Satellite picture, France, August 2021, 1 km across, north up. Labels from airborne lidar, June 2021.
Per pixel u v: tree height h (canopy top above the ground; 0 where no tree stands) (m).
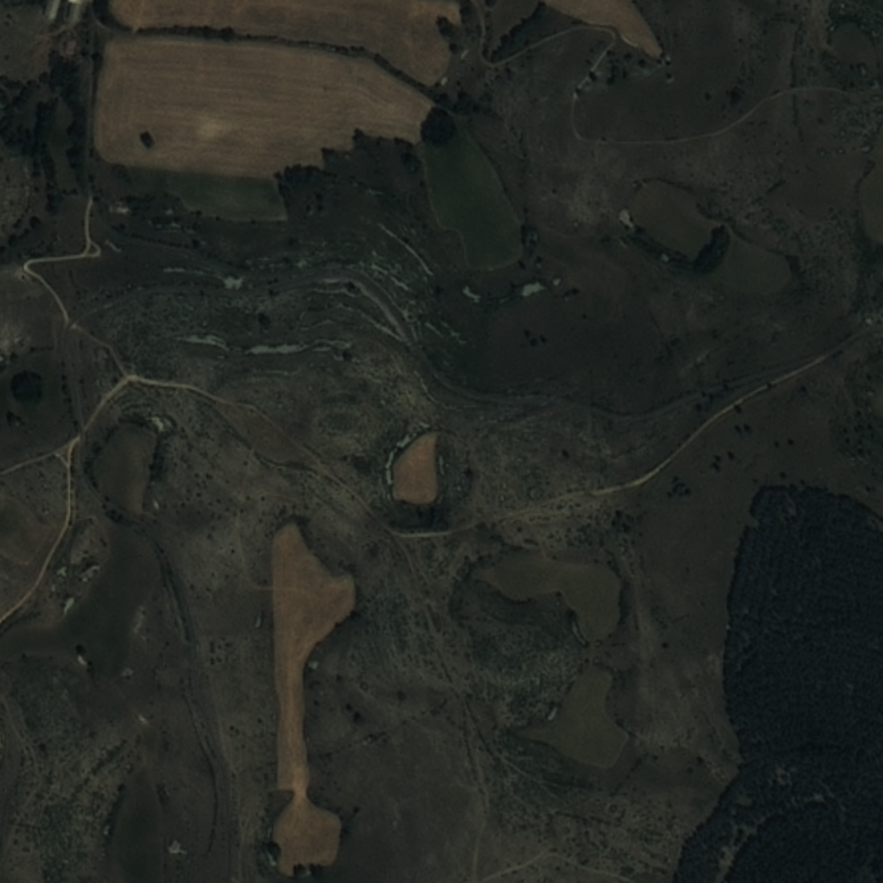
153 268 0
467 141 0
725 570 0
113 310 0
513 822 0
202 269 0
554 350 0
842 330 0
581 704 0
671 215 0
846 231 0
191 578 0
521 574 0
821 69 0
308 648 0
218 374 0
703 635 0
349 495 0
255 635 0
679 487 7
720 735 0
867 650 13
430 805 0
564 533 0
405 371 0
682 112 0
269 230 0
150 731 0
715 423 0
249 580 0
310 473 0
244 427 0
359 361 0
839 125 0
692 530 0
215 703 0
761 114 0
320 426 0
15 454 0
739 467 0
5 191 0
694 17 0
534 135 0
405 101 0
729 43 0
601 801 0
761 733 13
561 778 0
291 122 0
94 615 0
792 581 14
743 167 0
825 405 0
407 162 9
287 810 0
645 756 0
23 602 0
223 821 0
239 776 0
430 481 0
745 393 0
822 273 0
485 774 0
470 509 0
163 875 0
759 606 13
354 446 0
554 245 0
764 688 14
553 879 0
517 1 0
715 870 8
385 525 0
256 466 0
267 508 0
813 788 11
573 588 0
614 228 0
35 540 0
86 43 7
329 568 0
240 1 0
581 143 0
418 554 0
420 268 0
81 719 0
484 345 0
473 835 0
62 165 0
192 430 0
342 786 0
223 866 0
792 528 13
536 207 0
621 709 0
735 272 0
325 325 0
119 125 0
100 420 0
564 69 0
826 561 16
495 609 0
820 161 0
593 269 0
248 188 0
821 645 14
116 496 0
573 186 0
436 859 0
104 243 0
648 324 0
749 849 17
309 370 0
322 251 0
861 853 13
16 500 0
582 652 0
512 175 0
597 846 0
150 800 0
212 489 0
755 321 0
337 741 0
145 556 0
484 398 0
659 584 0
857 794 16
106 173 0
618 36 0
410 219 0
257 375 0
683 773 0
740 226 0
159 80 0
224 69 0
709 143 0
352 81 0
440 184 0
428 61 0
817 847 16
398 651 0
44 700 0
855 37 0
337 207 0
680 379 0
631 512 0
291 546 0
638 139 0
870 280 0
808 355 0
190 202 0
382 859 0
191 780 0
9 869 0
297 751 0
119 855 0
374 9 0
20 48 0
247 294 0
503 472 0
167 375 0
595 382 0
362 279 0
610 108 0
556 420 0
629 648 0
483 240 0
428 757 0
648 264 0
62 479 0
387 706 0
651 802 0
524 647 0
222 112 0
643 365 0
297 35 0
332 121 0
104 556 0
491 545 0
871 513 10
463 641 0
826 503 12
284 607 0
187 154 0
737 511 0
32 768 0
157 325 0
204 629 0
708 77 0
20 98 7
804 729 17
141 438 0
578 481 0
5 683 0
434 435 0
